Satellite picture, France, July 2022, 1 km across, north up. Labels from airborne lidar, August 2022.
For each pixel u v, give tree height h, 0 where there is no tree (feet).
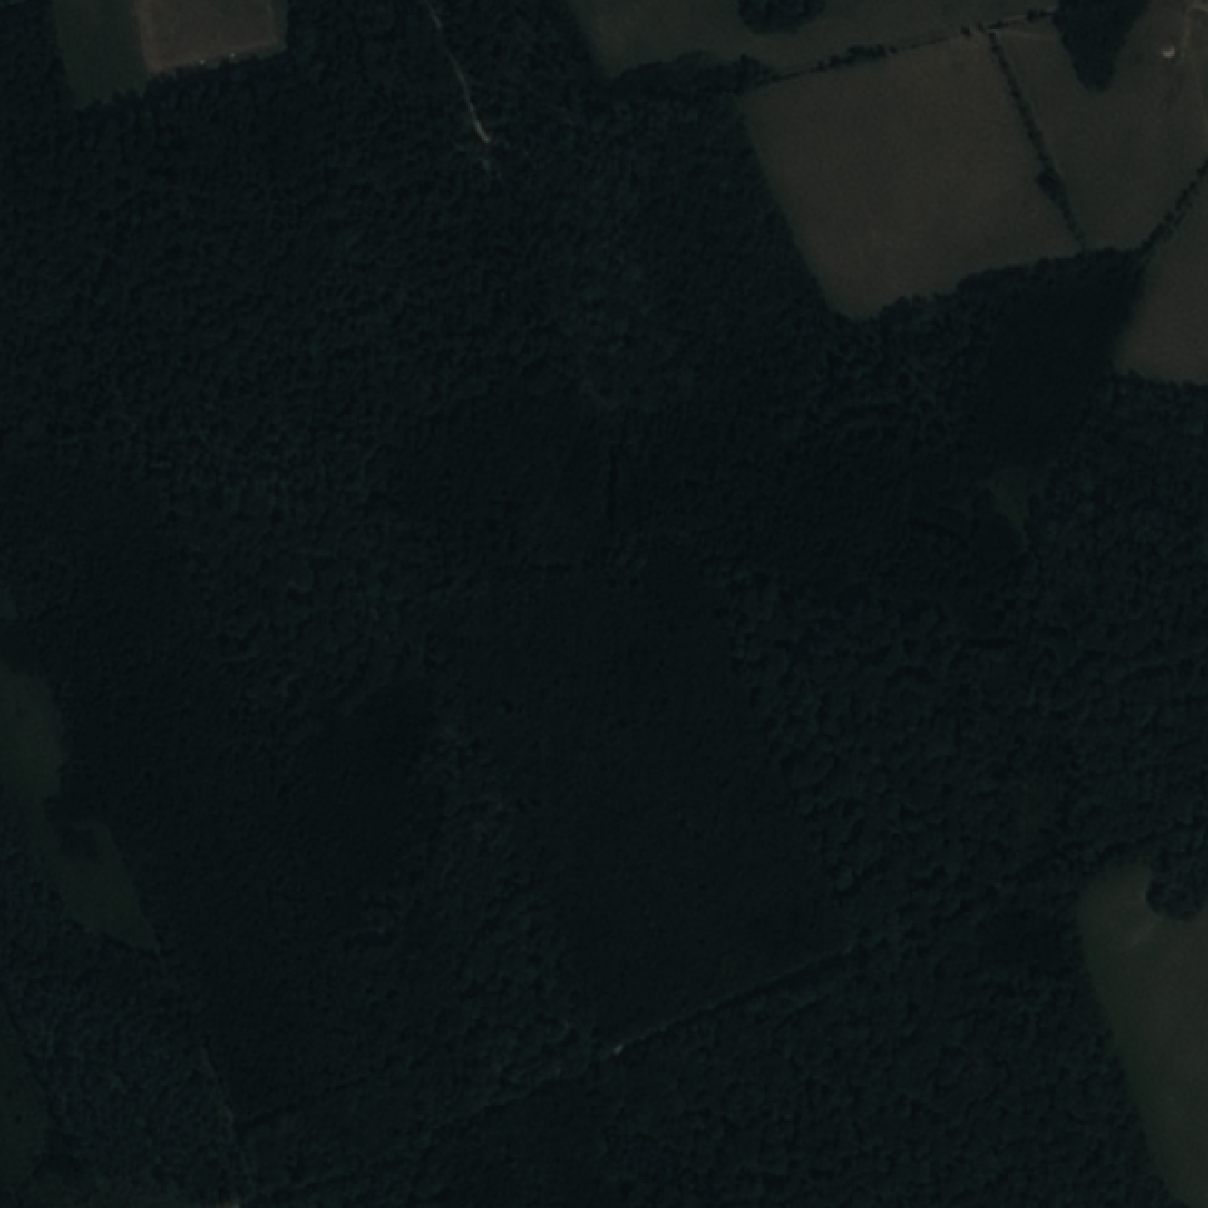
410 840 59
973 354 80
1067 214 39
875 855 26
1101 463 85
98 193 69
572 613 43
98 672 45
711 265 73
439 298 40
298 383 44
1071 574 99
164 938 54
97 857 23
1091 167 0
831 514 73
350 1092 81
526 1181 52
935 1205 78
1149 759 66
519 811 40
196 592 34
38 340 66
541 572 50
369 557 85
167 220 49
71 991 93
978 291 65
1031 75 0
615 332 89
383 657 85
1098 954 0
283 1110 87
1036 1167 75
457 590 41
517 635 40
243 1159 86
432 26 91
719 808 37
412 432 80
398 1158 90
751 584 78
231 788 39
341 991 46
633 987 38
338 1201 62
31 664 23
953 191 0
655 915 41
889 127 0
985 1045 54
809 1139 61
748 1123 75
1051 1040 91
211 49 0
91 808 33
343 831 42
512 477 65
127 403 33
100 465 46
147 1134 75
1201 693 85
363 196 41
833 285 0
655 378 80
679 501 57
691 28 0
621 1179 51
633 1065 72
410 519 75
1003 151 0
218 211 62
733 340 55
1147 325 0
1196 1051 0
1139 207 0
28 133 59
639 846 40
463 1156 54
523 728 44
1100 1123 84
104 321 76
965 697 81
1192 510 47
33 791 0
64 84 92
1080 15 56
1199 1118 0
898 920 77
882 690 82
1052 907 62
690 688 41
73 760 25
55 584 54
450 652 45
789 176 0
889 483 72
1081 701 70
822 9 31
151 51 0
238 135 100
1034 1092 90
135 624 45
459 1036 57
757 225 59
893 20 0
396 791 56
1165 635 81
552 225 90
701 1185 57
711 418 73
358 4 76
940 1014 93
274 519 75
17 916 97
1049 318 53
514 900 81
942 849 91
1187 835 71
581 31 19
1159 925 0
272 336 44
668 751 45
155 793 58
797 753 73
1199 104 0
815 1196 65
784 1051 83
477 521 74
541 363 80
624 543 74
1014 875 62
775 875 37
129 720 66
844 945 41
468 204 51
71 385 42
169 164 37
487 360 78
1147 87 0
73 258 75
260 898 50
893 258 0
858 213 0
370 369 91
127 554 51
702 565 62
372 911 50
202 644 39
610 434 28
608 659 45
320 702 33
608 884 40
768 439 58
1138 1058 0
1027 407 58
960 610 21
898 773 79
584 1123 60
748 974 38
